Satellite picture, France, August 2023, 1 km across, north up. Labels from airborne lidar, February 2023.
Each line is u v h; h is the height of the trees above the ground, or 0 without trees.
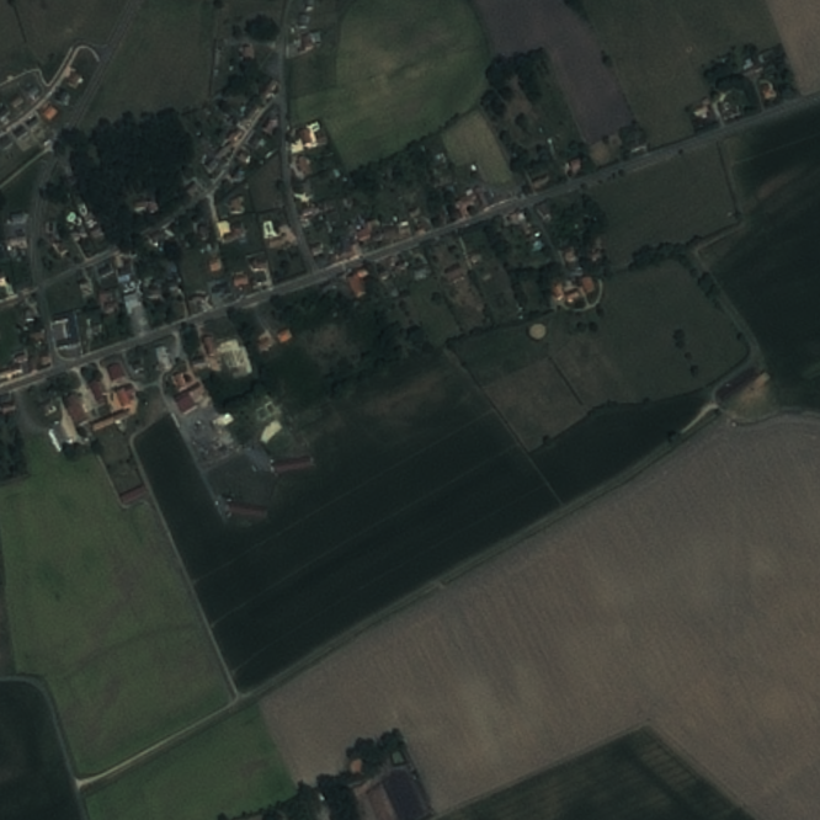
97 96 0
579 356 0
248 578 0
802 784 0
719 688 0
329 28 0
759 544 0
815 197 0
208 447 0
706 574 0
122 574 0
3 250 0
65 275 0
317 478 0
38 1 0
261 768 0
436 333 0
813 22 0
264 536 0
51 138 0
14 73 0
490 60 0
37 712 0
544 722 0
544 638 0
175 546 0
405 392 0
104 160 15
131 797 0
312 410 0
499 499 0
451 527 0
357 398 0
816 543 0
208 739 0
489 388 0
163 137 14
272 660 0
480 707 0
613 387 0
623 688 0
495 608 0
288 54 0
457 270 0
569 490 0
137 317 0
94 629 0
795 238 0
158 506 0
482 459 0
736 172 0
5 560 0
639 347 0
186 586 0
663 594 0
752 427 0
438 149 0
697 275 10
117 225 20
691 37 0
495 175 0
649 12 0
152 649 0
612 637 0
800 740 0
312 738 0
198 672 0
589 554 0
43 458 0
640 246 0
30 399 0
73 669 0
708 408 0
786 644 0
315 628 0
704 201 0
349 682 0
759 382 0
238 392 0
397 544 0
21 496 0
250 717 0
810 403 0
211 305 0
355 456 0
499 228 12
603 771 0
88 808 0
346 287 0
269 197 0
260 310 0
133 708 0
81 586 0
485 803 0
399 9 0
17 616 0
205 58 0
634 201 0
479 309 0
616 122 0
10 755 0
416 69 0
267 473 0
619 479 0
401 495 0
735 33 0
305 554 0
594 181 0
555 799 0
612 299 0
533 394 0
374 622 0
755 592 0
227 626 0
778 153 0
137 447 0
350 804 16
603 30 0
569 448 0
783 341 0
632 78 0
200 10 0
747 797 0
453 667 0
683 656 0
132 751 0
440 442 0
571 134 0
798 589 0
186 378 6
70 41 0
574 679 0
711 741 0
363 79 0
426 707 0
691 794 0
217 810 0
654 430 0
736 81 17
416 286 0
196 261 0
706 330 0
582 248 7
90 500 0
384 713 0
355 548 0
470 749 0
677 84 0
